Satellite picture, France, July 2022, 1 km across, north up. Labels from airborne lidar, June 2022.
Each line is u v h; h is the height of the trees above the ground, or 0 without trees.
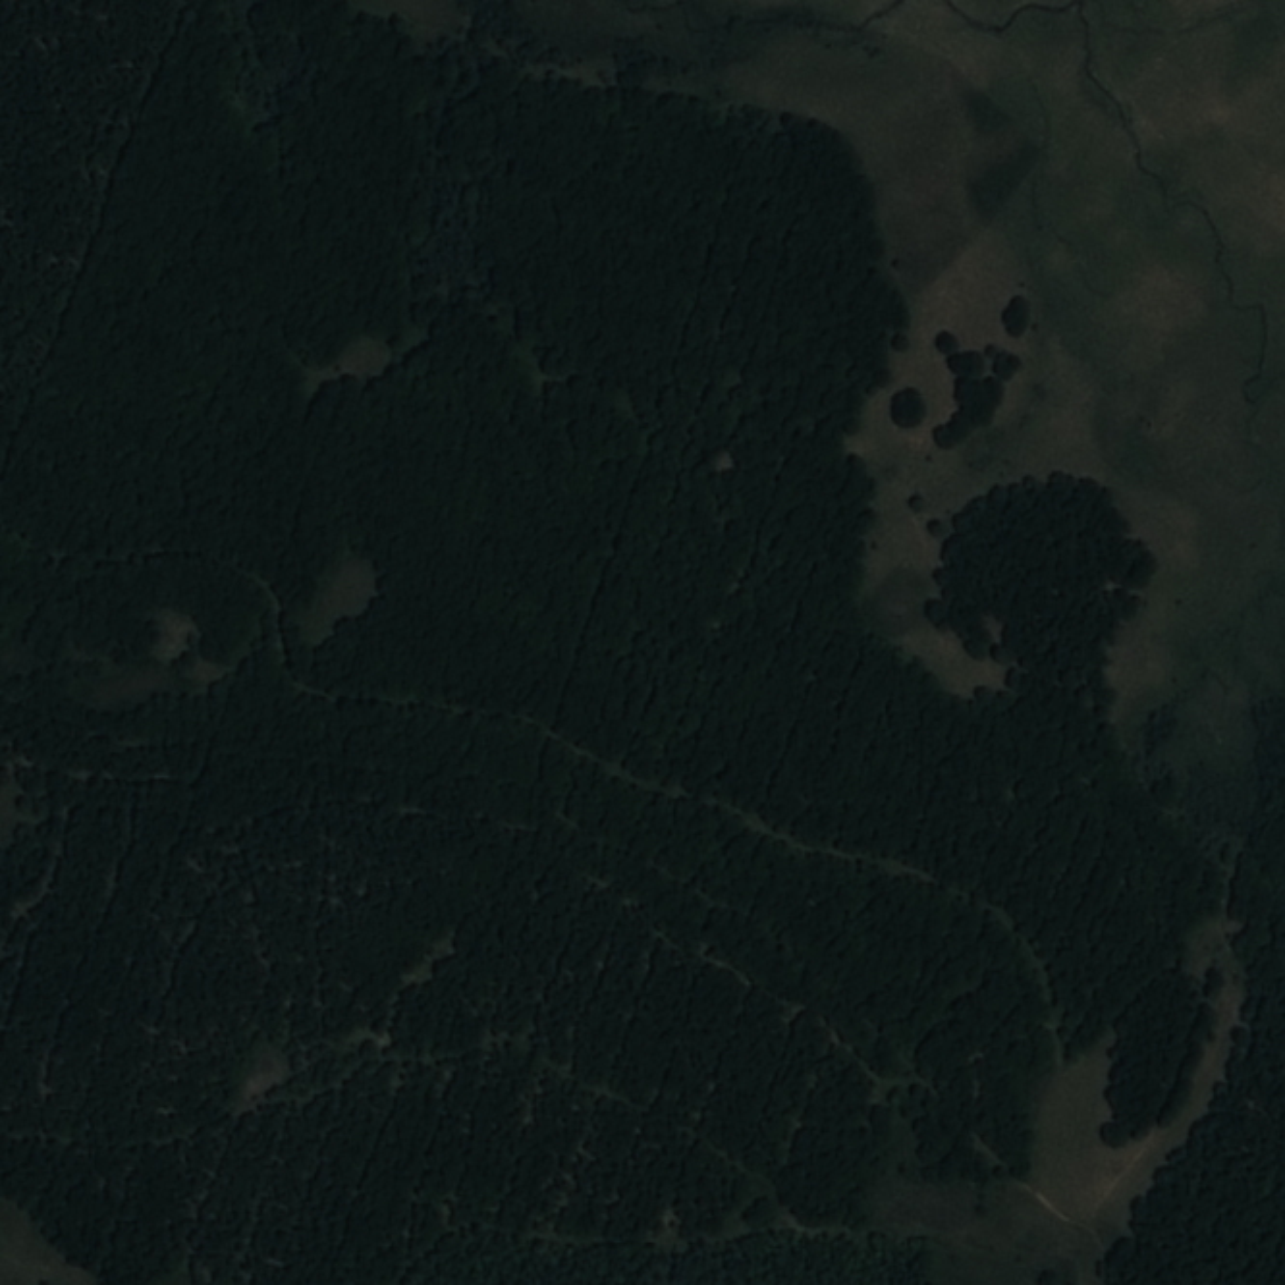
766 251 13
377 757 14
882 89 0
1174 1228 16
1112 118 0
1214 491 0
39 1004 15
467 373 15
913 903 13
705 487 12
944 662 0
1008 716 11
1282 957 13
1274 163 0
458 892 14
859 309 16
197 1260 13
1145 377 0
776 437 9
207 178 15
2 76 13
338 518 13
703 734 11
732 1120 12
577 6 0
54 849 11
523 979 11
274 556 13
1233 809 7
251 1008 14
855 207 14
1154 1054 12
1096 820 13
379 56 16
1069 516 13
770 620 14
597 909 10
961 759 15
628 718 13
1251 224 0
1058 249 0
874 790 14
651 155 13
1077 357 0
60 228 11
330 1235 10
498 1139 12
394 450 13
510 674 12
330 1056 10
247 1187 14
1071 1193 0
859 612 10
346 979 11
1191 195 0
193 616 10
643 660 11
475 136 13
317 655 9
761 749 14
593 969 9
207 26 15
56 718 11
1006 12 0
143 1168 12
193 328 13
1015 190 0
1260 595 0
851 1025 12
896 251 0
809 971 9
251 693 13
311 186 15
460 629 14
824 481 11
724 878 12
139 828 11
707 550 11
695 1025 12
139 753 12
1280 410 0
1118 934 11
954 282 0
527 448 10
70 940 12
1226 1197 12
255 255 15
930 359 0
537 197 10
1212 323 0
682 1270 16
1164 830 12
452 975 13
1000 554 12
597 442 15
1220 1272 13
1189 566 0
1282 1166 11
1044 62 0
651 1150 10
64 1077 11
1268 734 9
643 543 11
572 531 13
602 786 11
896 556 0
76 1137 11
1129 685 0
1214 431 0
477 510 13
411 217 13
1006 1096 12
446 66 16
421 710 12
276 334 14
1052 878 10
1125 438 0
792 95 0
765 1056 13
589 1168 10
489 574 13
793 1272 12
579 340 13
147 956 12
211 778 13
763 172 12
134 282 13
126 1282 15
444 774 14
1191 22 0
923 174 0
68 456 13
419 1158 12
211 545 14
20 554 13
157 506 14
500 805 13
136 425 14
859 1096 9
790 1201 11
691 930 11
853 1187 9
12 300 14
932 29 0
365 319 15
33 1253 0
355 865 11
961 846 12
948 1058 12
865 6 0
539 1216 7
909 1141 0
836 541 12
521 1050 8
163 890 7
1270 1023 15
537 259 15
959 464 0
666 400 12
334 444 13
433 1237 11
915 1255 6
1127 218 0
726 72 0
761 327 14
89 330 13
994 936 12
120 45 16
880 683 14
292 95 13
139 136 12
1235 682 0
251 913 12
